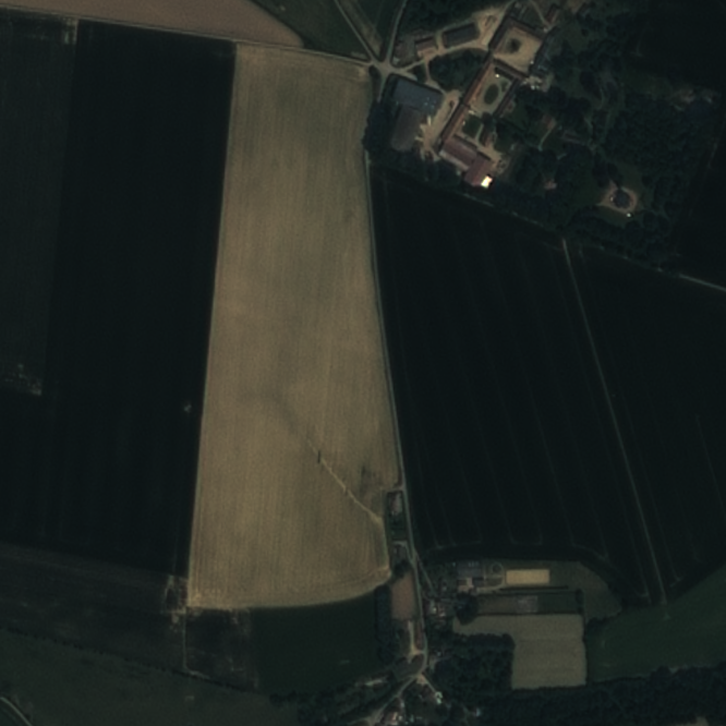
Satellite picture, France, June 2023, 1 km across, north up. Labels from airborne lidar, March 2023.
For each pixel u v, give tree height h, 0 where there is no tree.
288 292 0
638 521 0
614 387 0
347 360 0
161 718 0
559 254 0
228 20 0
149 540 0
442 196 0
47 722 0
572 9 0
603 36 0
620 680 7
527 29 0
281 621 0
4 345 0
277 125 0
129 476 0
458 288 0
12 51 0
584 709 20
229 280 0
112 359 0
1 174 0
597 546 0
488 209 0
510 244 0
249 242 0
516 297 0
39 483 0
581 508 0
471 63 20
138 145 0
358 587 0
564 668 0
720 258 0
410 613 0
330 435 0
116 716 0
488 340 0
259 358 0
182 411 0
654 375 0
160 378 0
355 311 0
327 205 0
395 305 0
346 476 0
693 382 0
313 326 0
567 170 23
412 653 0
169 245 0
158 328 0
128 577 0
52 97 0
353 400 0
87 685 0
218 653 0
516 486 0
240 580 0
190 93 0
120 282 0
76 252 0
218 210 0
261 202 0
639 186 0
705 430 0
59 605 0
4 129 0
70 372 0
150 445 0
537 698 20
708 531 0
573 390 0
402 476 0
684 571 0
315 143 0
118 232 0
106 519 0
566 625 0
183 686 0
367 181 0
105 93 0
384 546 0
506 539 0
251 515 0
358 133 0
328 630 0
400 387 0
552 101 19
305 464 0
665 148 16
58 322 0
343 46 0
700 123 34
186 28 0
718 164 0
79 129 0
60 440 0
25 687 0
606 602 0
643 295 0
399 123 0
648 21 0
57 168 0
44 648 0
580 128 18
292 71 0
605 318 0
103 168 0
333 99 0
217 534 0
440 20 15
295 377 0
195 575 0
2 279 0
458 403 0
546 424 0
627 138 20
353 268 0
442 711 16
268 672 0
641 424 0
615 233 18
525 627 0
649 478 0
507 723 23
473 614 13
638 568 0
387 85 6
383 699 9
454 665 8
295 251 0
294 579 0
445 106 0
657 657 0
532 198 27
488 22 0
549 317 0
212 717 0
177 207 0
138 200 0
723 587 0
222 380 0
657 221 12
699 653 0
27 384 0
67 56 0
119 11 0
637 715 27
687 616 0
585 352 0
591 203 0
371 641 0
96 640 0
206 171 0
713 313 0
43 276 0
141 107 0
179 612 0
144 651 0
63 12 0
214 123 0
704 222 0
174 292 0
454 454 0
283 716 0
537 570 0
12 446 0
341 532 0
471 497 0
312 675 0
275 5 0
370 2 0
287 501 0
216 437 0
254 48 0
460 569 0
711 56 0
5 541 0
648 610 0
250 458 0
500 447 0
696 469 0
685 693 21
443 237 0
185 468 0
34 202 0
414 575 0
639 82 0
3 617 0
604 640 0
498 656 7
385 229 0
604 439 0
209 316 0
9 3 0
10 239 0
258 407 0
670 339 0
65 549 0
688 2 0
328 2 0
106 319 0
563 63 19
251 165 0
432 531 0
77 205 0
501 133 12
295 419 0
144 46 0
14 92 0
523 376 0
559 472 0
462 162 0
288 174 0
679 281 0
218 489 0
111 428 0
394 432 0
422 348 0
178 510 0
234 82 0
